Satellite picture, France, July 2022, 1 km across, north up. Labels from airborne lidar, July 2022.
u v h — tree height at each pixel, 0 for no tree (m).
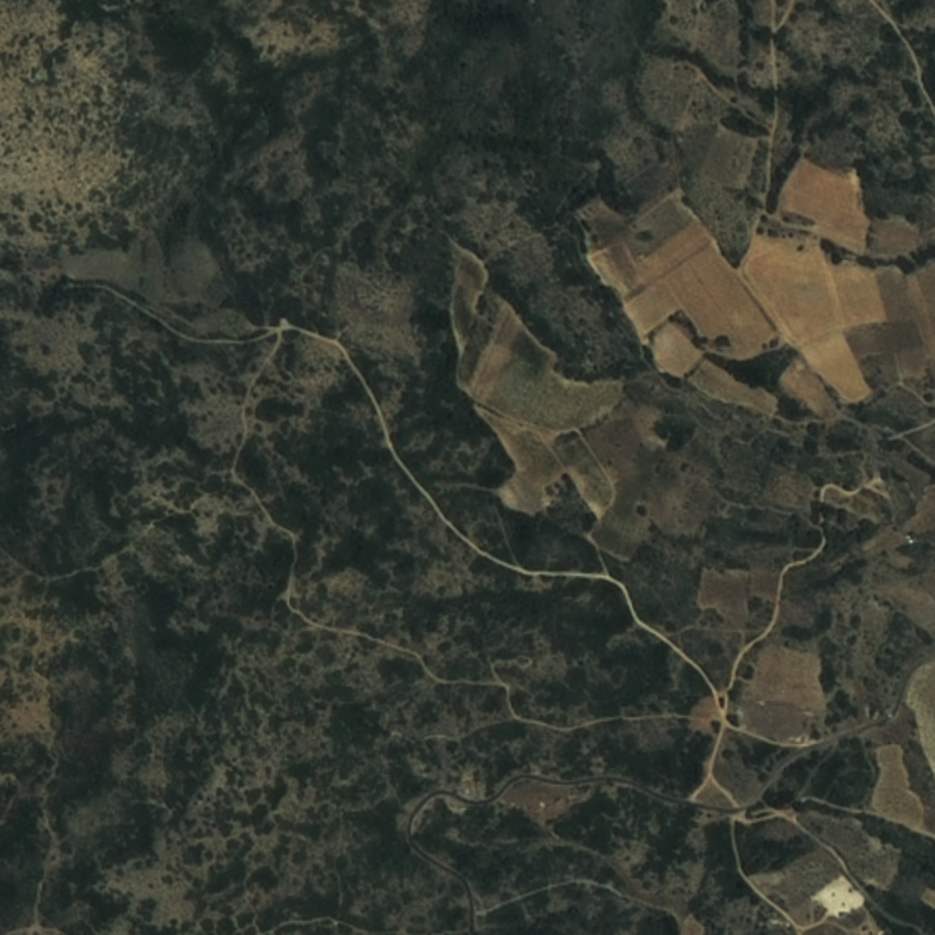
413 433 0
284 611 0
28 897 0
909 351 0
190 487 0
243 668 0
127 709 0
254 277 0
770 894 0
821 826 0
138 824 0
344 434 0
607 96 0
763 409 0
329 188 0
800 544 5
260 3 0
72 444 0
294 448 0
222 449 0
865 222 0
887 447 7
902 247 0
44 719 0
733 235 0
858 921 0
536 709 0
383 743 0
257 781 0
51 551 0
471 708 0
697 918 0
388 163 0
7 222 0
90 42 0
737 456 0
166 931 0
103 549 0
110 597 0
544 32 0
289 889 0
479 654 0
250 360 0
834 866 0
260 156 0
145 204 0
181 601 0
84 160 0
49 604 0
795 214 0
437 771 0
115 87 0
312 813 0
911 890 0
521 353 0
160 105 0
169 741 0
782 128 0
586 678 0
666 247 0
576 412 0
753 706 0
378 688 0
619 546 0
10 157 0
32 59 0
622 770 0
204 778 0
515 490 0
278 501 0
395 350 0
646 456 0
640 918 0
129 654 0
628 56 0
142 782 0
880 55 7
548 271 0
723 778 0
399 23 0
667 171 0
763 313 0
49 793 0
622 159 0
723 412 0
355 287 0
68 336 0
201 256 0
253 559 0
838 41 0
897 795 0
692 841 0
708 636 0
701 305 0
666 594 0
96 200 0
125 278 0
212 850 0
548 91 0
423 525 0
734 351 0
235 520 0
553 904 0
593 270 0
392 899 0
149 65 0
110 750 0
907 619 0
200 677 0
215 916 0
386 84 0
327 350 0
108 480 0
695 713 0
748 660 0
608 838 0
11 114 0
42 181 0
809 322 0
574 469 0
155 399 0
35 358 0
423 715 0
